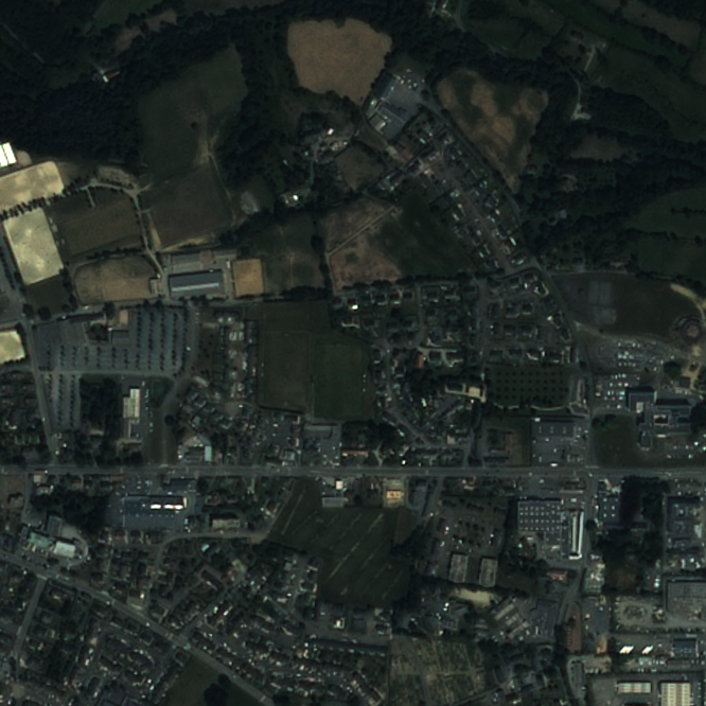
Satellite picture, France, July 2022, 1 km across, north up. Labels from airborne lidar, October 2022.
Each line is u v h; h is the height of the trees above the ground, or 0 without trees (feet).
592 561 0
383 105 0
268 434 0
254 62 51
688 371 0
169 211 0
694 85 26
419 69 0
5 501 0
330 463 0
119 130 81
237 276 0
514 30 0
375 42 0
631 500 64
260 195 0
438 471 0
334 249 0
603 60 24
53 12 50
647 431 0
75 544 0
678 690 0
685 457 0
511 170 0
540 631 0
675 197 0
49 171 0
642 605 0
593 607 0
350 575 0
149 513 0
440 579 31
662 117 31
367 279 0
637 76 0
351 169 0
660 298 0
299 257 0
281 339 0
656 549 26
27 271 0
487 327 0
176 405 0
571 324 0
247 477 0
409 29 65
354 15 22
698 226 0
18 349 0
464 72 0
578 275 0
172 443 0
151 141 0
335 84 0
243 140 90
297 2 35
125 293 0
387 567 0
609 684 0
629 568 0
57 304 0
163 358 22
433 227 0
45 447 56
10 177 0
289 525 0
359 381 0
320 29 0
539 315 0
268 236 0
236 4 0
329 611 0
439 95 20
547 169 36
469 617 45
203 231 0
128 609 0
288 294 36
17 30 61
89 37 28
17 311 0
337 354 0
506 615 0
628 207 54
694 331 0
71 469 0
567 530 0
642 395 0
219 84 0
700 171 68
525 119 0
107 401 61
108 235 0
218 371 0
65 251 0
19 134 46
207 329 0
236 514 0
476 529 26
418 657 0
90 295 0
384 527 0
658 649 0
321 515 0
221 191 0
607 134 74
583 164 50
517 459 0
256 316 0
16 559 0
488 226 0
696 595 0
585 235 52
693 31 0
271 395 0
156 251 0
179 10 42
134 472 0
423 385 33
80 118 78
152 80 45
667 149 66
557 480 0
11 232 0
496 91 0
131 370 0
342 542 0
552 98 37
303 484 0
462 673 0
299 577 0
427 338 0
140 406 0
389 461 25
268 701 0
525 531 0
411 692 0
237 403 0
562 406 0
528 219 23
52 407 0
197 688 0
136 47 39
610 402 0
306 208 21
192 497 0
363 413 0
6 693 0
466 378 21
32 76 48
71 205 0
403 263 0
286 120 0
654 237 24
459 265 0
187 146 0
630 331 0
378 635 0
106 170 0
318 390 0
